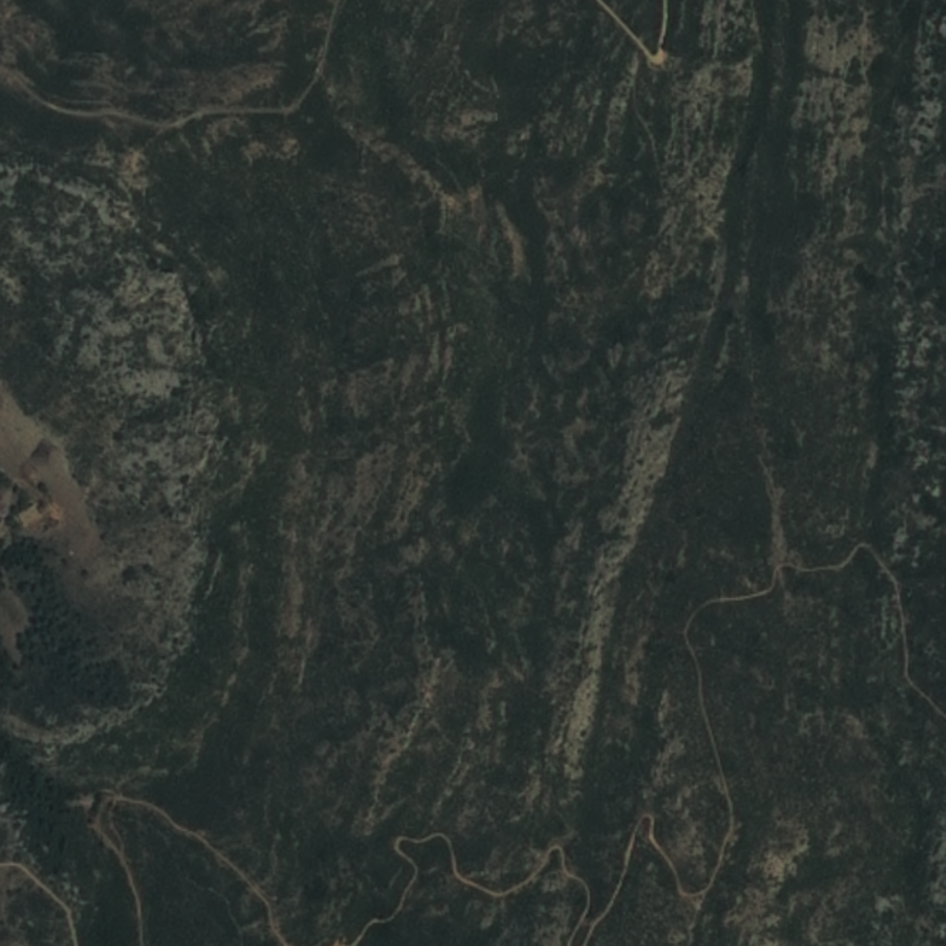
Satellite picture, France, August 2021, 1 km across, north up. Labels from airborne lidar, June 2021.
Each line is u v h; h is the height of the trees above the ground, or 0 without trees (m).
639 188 0
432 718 0
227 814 0
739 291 0
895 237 0
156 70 0
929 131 0
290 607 0
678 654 0
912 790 0
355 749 0
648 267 0
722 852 0
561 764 0
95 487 0
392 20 0
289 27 0
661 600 0
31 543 6
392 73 0
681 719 0
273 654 0
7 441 0
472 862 0
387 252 0
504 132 0
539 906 0
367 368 0
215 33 0
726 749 0
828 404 0
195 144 0
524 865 0
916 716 0
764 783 0
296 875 0
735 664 0
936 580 0
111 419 0
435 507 0
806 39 0
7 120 0
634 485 0
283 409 0
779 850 0
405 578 0
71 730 0
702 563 0
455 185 0
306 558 0
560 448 0
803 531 0
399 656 0
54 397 0
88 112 0
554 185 0
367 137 0
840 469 0
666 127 0
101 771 0
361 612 0
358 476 0
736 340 0
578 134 0
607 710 0
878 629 0
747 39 0
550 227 0
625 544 0
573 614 0
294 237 0
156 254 0
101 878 0
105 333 0
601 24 0
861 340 0
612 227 0
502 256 0
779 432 0
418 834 0
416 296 0
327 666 0
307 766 0
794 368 0
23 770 11
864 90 0
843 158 0
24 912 0
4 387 0
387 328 0
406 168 0
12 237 0
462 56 0
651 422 0
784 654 0
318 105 0
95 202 0
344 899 0
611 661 0
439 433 0
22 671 10
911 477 0
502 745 0
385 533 0
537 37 0
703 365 0
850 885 0
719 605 0
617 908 0
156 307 0
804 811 0
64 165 0
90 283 0
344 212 0
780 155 0
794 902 0
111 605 0
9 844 0
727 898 0
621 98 0
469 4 0
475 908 0
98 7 0
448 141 0
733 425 0
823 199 0
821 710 0
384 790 0
